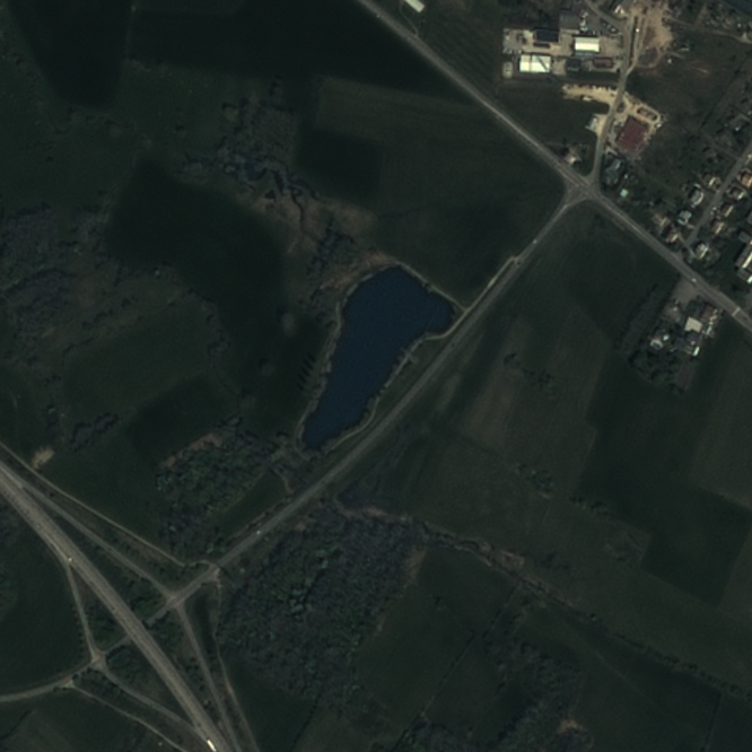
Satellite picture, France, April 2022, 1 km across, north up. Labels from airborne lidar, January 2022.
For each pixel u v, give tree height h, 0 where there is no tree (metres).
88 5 0
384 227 0
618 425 0
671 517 0
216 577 0
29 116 0
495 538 0
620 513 0
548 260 0
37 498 0
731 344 0
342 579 24
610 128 0
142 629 0
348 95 0
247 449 17
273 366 13
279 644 11
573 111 0
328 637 29
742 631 0
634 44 0
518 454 0
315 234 0
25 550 0
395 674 0
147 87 0
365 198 0
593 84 0
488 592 0
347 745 0
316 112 0
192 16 0
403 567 23
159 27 0
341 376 0
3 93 0
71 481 0
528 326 0
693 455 0
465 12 0
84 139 0
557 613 0
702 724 0
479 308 0
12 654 0
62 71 0
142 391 0
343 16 0
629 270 0
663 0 0
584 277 0
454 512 0
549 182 0
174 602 0
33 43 0
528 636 0
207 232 0
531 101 0
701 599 0
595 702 0
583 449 0
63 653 0
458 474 0
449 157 0
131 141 0
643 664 0
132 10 0
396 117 0
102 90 0
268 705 0
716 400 0
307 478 0
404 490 0
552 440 0
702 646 0
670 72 0
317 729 0
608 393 0
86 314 0
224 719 0
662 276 0
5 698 0
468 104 0
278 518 0
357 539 27
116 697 16
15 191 0
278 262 0
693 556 0
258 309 0
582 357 0
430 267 0
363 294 0
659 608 0
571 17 0
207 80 0
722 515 0
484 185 0
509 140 0
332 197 0
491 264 0
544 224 0
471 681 0
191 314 0
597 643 0
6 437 0
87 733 0
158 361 0
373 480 0
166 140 0
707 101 0
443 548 0
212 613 0
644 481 0
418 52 0
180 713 0
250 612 26
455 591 0
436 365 0
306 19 0
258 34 0
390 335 0
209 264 0
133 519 0
